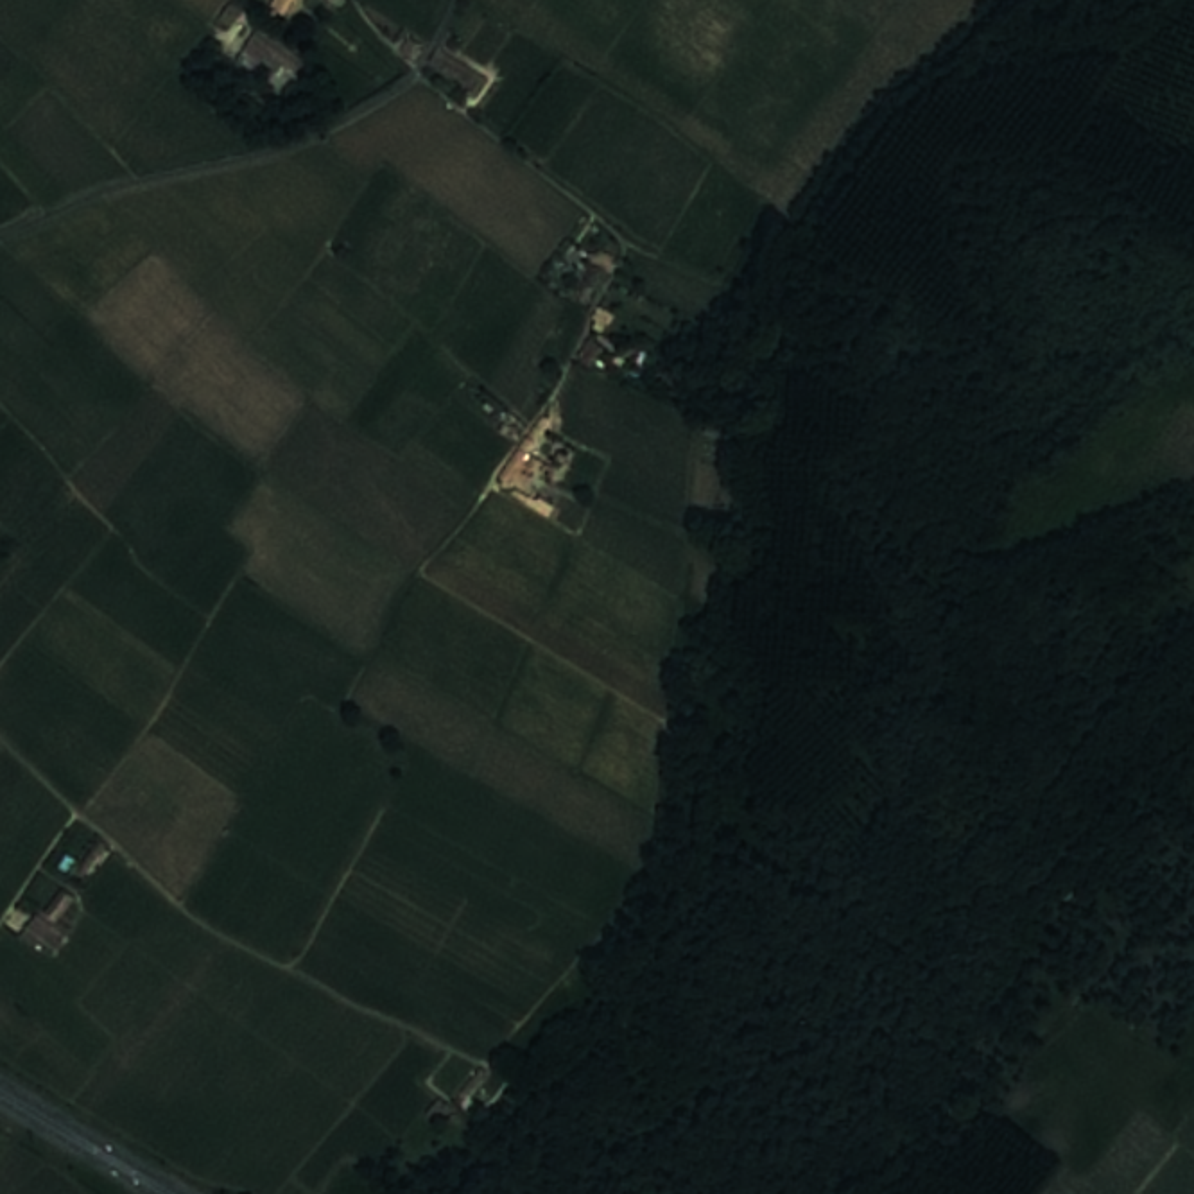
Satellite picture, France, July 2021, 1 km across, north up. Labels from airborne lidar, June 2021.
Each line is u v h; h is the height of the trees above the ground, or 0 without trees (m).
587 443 0
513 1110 12
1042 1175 25
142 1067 0
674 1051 7
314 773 0
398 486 0
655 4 0
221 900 0
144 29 0
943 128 26
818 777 22
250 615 0
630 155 0
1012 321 16
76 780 0
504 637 0
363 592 0
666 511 0
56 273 0
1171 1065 0
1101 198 21
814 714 21
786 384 19
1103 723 23
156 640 0
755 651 18
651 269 0
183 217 0
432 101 0
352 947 0
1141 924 10
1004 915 19
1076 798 17
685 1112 20
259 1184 0
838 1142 26
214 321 0
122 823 0
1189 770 21
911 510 20
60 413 0
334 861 0
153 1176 0
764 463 20
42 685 0
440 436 0
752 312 36
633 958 26
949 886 16
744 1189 24
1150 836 21
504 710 0
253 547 0
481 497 0
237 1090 0
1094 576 17
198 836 0
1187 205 23
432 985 0
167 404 0
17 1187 0
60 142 0
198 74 21
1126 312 14
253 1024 0
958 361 17
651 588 0
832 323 17
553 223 0
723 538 31
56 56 0
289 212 0
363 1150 0
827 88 0
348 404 0
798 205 10
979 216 19
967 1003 17
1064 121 31
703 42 0
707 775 15
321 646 0
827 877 24
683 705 9
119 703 0
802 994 21
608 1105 17
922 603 22
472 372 0
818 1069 20
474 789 0
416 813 0
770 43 0
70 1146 0
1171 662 24
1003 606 23
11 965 0
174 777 0
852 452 19
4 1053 0
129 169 0
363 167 0
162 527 0
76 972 0
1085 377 24
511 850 0
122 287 0
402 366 0
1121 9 28
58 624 0
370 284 0
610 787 0
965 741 19
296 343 0
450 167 0
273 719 0
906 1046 23
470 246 0
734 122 0
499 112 0
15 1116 0
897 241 28
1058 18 31
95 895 0
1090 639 17
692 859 25
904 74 9
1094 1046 0
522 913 0
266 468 0
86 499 0
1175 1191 0
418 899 0
